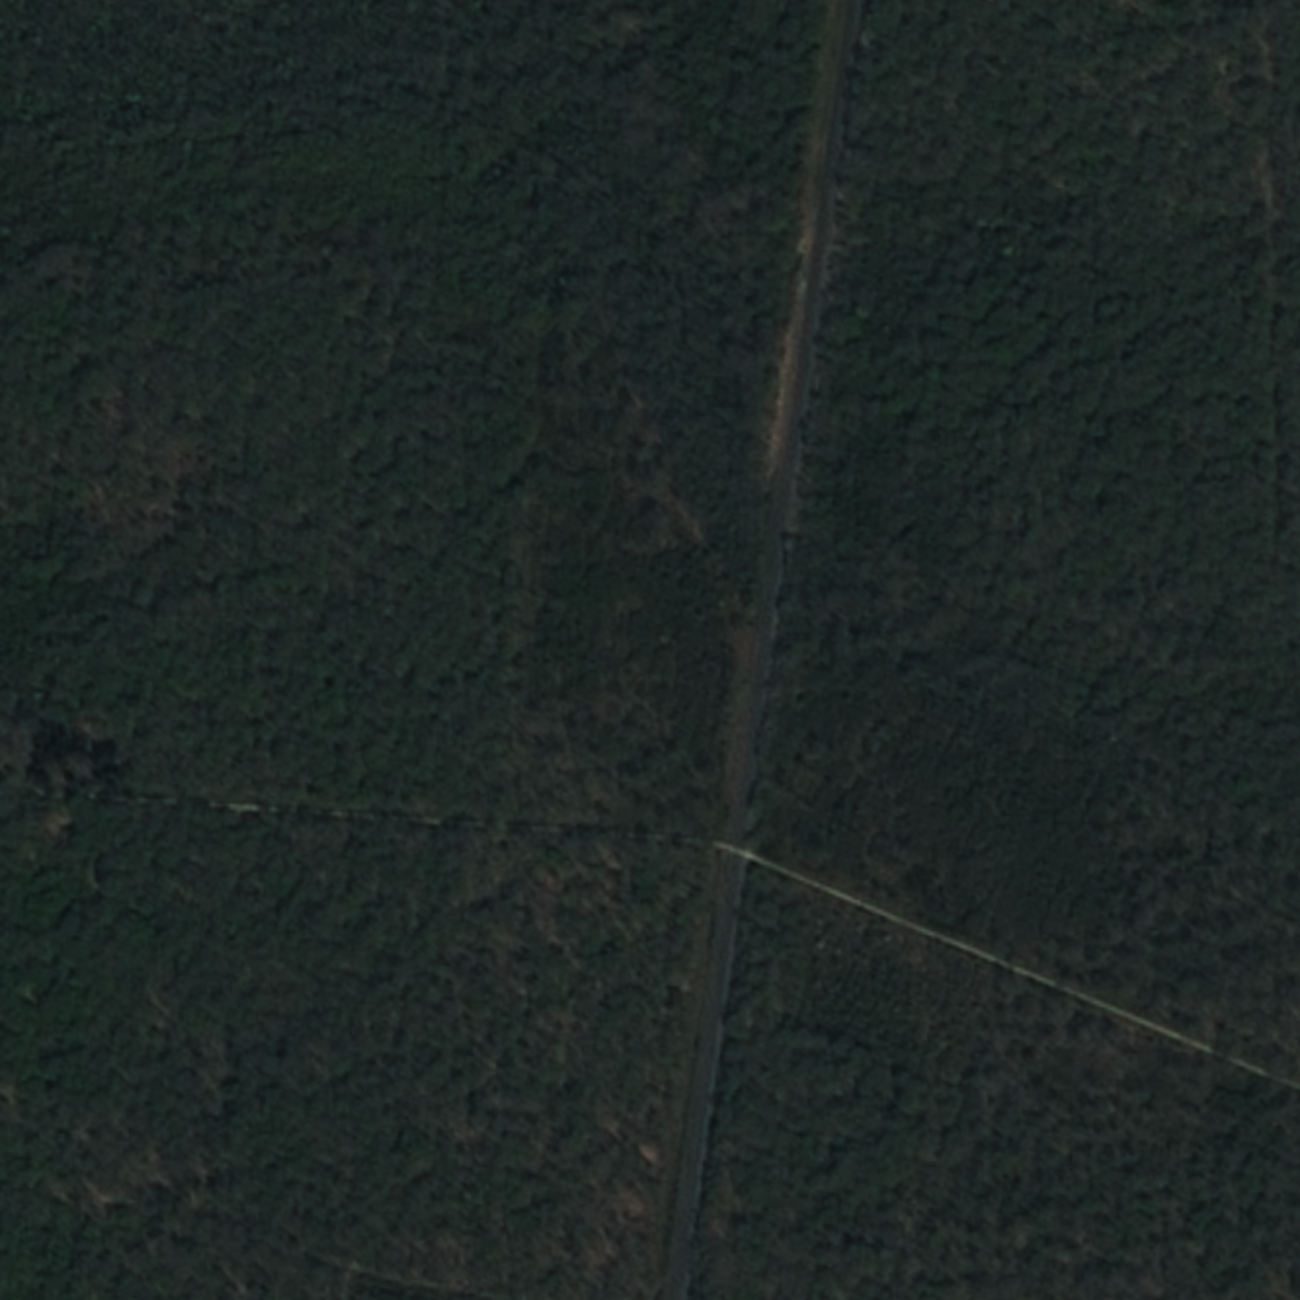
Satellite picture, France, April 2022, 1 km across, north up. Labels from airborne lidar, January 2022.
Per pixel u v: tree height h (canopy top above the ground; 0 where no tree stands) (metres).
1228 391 23
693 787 26
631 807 21
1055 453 20
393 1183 24
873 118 28
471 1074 26
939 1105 20
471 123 23
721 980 0
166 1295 27
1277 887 23
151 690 22
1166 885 23
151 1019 29
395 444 27
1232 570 22
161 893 25
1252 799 18
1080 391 21
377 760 26
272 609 25
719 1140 17
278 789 26
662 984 23
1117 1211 18
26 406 25
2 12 27
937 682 26
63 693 28
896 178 23
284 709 26
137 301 28
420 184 19
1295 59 25
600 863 26
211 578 23
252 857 25
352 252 12
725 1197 16
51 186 12
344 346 23
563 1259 20
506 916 24
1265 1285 27
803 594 14
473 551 23
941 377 19
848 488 24
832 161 0
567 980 28
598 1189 22
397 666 25
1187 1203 21
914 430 19
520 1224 21
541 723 23
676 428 26
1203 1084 25
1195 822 25
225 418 25
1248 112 25
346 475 22
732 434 28
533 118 24
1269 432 20
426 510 27
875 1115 22
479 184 22
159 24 25
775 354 26
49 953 26
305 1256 25
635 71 11
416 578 24
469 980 25
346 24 21
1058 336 23
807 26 23
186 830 24
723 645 9
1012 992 26
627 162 26
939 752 8
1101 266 19
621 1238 23
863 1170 21
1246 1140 18
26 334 25
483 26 24
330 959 27
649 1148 23
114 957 27
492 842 23
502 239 29
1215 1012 23
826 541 22
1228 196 24
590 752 25
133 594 28
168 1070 22
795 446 0
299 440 27
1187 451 13
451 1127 26
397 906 22
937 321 24
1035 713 26
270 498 25
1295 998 25
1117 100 27
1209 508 24
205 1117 25
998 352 23
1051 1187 25
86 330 25
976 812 11
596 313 28
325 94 25
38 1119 22
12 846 27
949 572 25
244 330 22
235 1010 27
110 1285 25
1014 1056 7
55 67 27
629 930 24
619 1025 25
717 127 11
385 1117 26
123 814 27
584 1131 27
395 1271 22
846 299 21
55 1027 17
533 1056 26
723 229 27
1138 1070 25
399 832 25
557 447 0
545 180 25
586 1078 26
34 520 26
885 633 21
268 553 27
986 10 24
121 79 26
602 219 29
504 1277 22
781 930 14
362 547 25
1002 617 8
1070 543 27
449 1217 26
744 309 24
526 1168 19
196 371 26
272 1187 23
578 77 25
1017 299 25
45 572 25
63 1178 23
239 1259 24
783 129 26
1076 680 18
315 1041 23
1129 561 18
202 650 29
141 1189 28
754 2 28
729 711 18
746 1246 24
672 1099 11
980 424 25
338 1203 27
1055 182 20
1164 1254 23
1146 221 24
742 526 23
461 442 28
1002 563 18
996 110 25
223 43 29
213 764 25
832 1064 23
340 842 27
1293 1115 23
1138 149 25
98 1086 24
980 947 7
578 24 24
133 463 25
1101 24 25
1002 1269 23
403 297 26
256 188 14
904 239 23
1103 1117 23
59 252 25
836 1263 25
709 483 24
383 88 25
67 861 22
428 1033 26
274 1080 27
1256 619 27
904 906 24
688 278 19
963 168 23
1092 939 6
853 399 18
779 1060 25
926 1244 21
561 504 22
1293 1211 18
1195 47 25
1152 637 25
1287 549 21
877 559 18
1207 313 20
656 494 25
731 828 0
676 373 22
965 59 24
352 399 23
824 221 0
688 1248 0
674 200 23
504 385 24
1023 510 21
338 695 18
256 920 22
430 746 25
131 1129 22
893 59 26
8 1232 20
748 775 0
